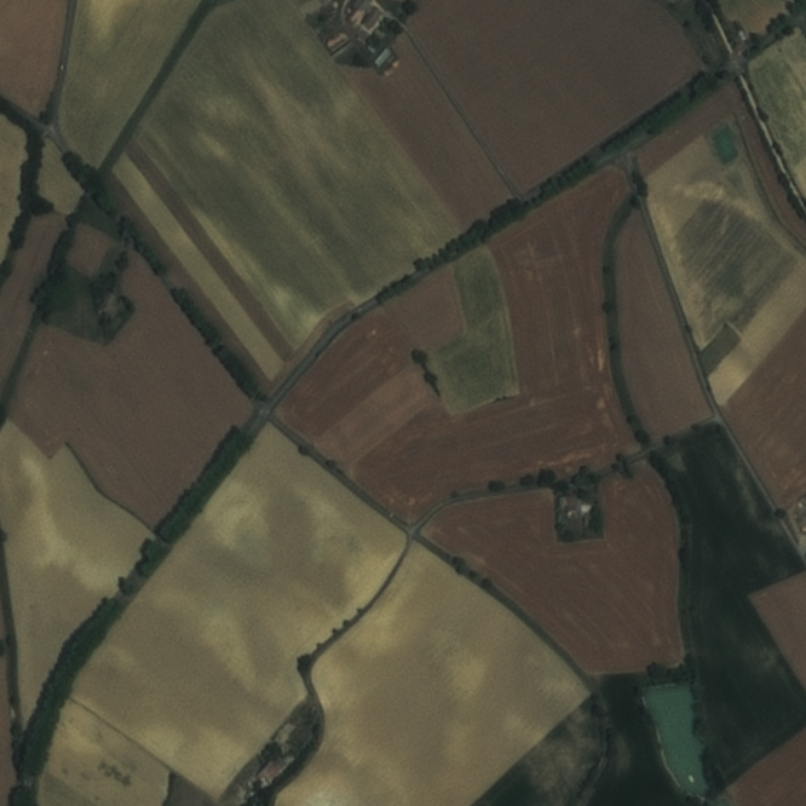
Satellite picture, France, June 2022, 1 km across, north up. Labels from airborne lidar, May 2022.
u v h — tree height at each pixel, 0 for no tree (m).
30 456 0
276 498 0
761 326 0
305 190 0
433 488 0
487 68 0
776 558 0
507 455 0
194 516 20
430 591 0
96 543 0
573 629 0
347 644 0
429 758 0
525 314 0
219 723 0
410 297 0
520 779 0
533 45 0
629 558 0
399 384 0
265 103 0
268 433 0
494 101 0
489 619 0
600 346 0
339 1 0
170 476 0
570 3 0
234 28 0
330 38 0
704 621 0
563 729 0
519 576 0
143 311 0
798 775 0
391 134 0
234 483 0
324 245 0
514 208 18
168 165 0
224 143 0
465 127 0
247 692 0
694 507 0
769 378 0
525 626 0
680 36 0
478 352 0
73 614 0
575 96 0
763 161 0
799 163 0
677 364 0
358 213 0
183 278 0
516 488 0
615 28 0
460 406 0
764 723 0
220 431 0
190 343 0
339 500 0
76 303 0
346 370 0
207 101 0
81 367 0
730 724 0
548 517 0
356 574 0
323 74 0
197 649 0
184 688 0
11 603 0
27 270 0
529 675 0
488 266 0
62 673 21
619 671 0
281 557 0
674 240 0
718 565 0
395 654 0
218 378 0
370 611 0
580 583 0
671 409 0
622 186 0
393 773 0
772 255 0
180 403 0
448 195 0
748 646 0
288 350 0
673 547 0
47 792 0
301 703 0
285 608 0
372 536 0
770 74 0
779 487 0
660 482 0
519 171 0
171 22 0
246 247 0
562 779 0
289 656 0
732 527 0
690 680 10
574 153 0
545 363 0
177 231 0
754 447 0
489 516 0
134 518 0
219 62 0
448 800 0
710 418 0
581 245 0
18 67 0
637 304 0
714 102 0
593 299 0
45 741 28
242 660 0
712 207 0
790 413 0
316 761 0
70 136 0
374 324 0
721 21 7
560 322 0
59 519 0
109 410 0
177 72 0
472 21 0
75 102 0
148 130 0
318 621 0
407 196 0
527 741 0
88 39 0
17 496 0
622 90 0
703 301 0
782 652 0
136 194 0
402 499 0
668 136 0
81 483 0
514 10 0
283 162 0
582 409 0
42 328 0
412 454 0
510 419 0
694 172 0
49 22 0
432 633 0
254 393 22
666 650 0
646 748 0
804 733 0
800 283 0
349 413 0
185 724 0
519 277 0
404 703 0
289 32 0
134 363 0
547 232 0
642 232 0
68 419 0
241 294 0
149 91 0
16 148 0
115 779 0
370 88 0
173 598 0
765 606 0
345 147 0
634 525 0
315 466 0
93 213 0
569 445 0
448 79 0
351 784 0
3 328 0
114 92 0
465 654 0
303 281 0
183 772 0
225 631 0
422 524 0
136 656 0
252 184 0
